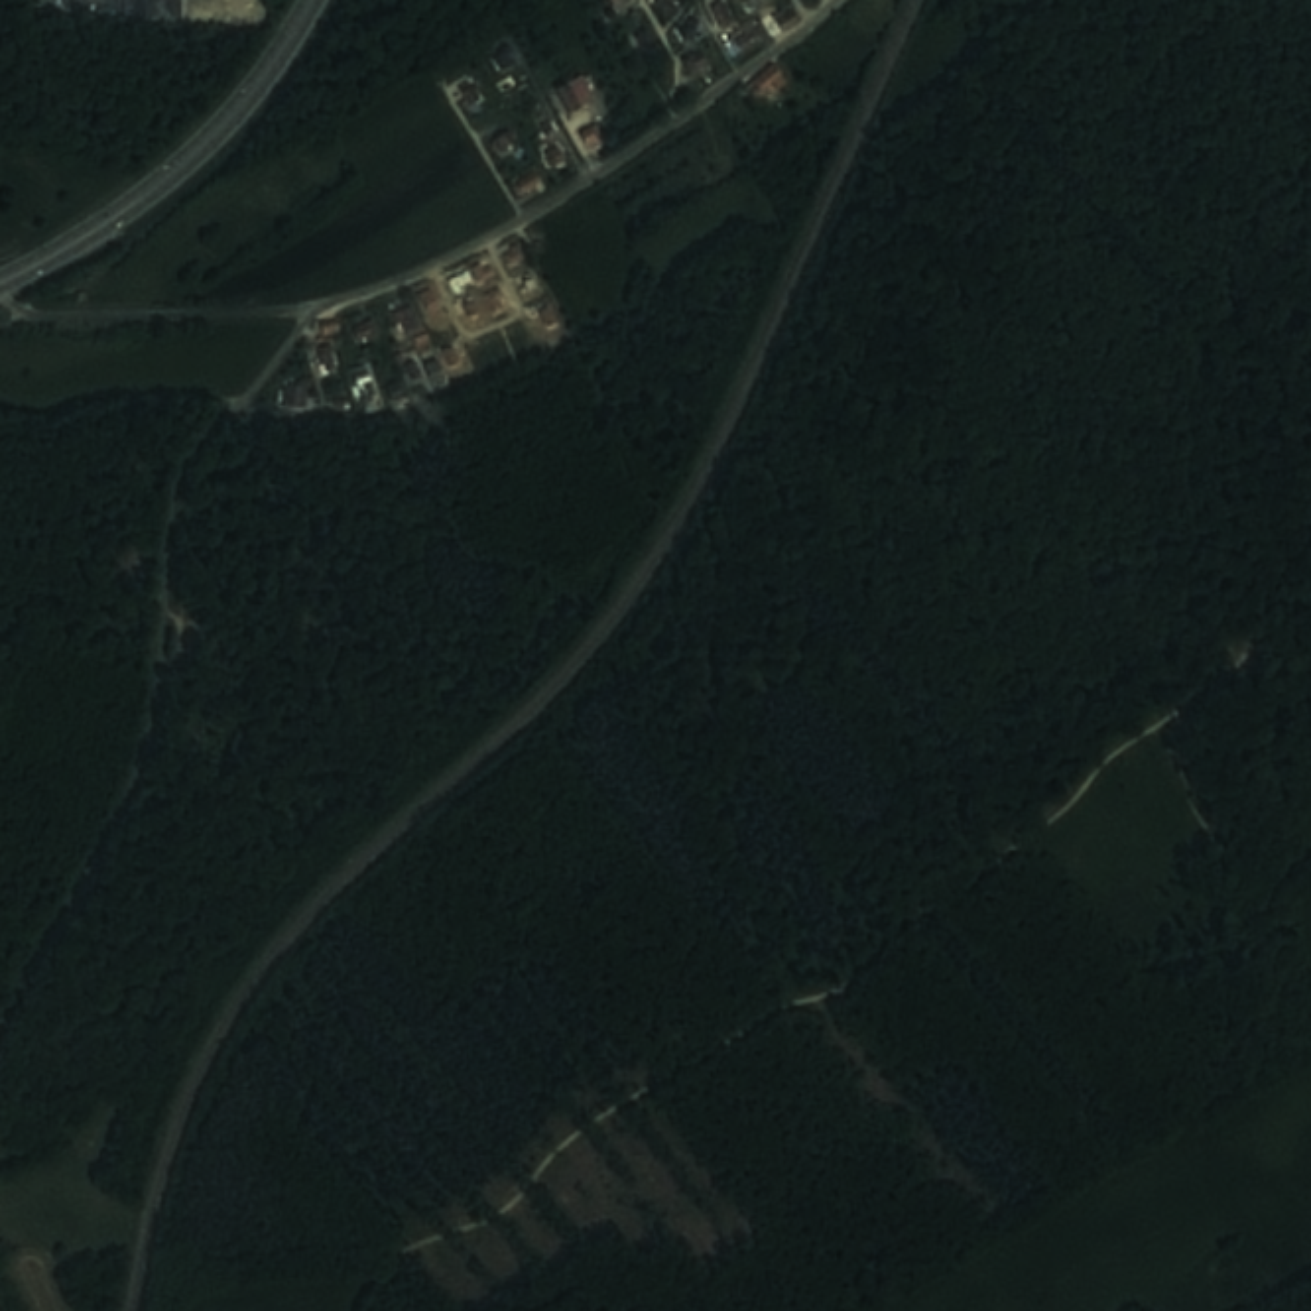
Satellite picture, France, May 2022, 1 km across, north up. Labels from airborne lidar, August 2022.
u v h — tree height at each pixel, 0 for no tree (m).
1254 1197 0
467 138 0
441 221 0
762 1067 10
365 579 21
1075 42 20
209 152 0
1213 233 20
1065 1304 0
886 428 22
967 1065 15
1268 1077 20
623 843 14
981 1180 21
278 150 22
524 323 0
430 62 18
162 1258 19
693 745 25
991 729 22
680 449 8
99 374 0
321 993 20
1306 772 23
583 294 0
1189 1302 0
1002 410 19
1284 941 21
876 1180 14
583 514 8
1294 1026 20
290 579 24
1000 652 22
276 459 18
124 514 23
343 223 0
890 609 17
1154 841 0
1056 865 9
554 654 6
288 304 0
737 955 13
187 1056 14
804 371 24
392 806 13
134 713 14
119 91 28
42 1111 19
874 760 21
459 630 17
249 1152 12
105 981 26
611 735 22
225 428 13
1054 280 19
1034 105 18
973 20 7
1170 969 11
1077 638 22
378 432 21
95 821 11
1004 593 21
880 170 14
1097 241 15
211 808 26
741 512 26
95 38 24
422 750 18
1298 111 14
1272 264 26
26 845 9
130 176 10
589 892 26
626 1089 8
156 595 6
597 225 0
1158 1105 13
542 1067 13
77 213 0
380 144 0
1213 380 23
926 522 20
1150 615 22
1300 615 27
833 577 22
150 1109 8
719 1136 14
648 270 9
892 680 21
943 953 14
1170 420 24
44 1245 0
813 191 10
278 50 0
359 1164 17
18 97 25
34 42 25
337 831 12
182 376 0
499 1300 20
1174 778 0
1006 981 17
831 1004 13
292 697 24
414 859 11
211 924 24
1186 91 12
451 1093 16
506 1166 16
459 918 10
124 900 23
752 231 17
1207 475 29
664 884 13
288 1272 19
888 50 0
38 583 20
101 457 21
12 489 17
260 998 12
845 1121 14
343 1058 20
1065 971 14
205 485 21
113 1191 17
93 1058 22
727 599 26
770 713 25
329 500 22
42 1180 0
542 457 8
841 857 23
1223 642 23
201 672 23
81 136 19
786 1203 13
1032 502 16
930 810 25
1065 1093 19
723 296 23
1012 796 27
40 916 14
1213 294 21
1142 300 15
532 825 12
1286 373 28
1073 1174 17
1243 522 29
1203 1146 0
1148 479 24
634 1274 23
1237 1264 0
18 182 0
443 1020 15
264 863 24
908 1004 16
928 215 31
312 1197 13
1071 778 25
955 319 23
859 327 25
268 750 26
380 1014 19
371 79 25
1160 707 27
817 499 21
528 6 23
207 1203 12
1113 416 23
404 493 21
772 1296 14
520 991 12
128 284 0
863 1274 24
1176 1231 0
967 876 27
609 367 19
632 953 15
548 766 14
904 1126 14
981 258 29
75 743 9
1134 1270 0
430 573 27
